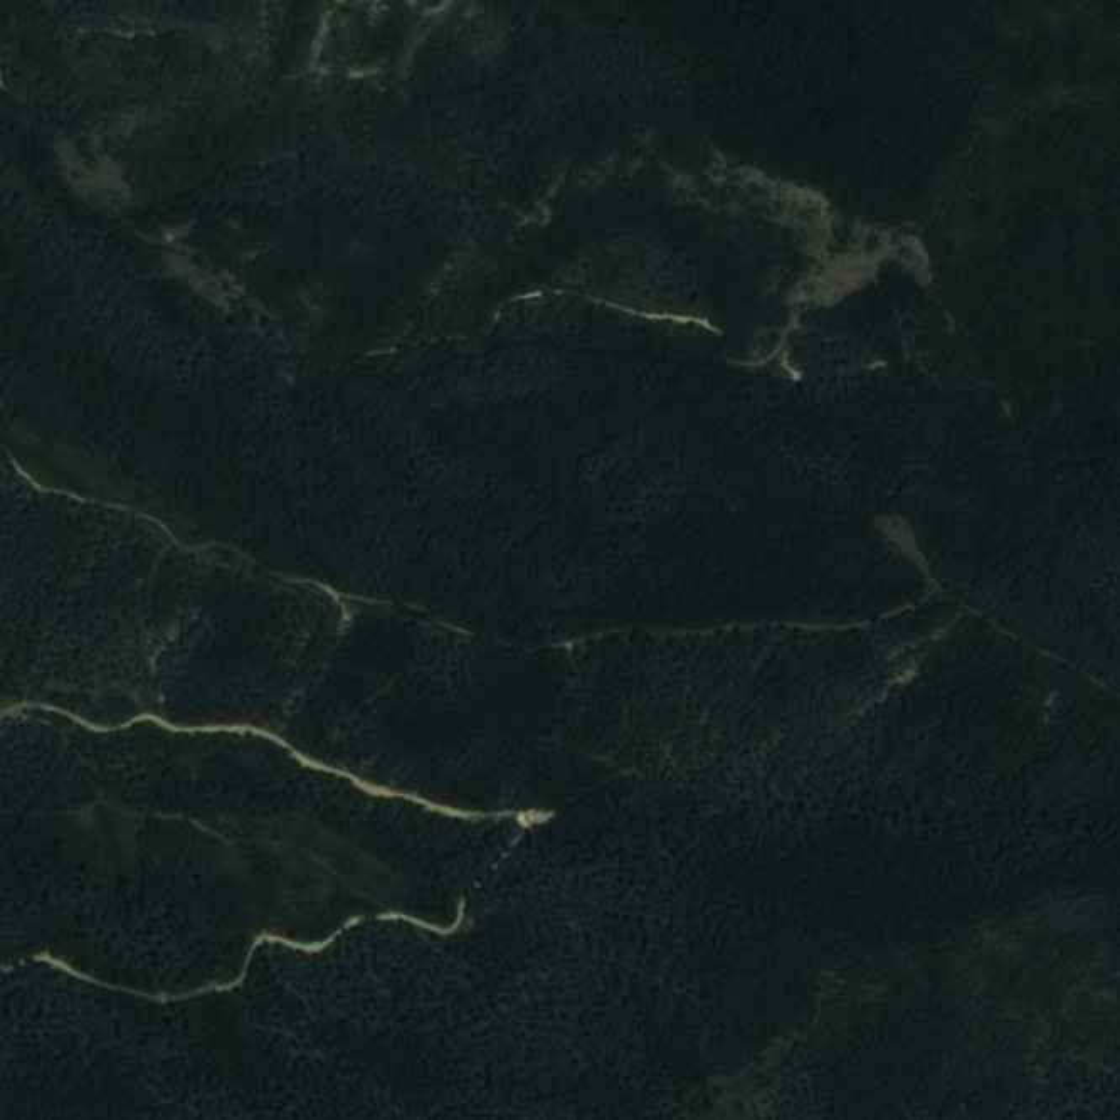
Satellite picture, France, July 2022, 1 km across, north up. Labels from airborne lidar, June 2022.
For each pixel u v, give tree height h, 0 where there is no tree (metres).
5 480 7
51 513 8
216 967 18
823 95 14
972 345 6
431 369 9
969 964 6
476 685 8
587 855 16
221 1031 10
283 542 12
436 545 9
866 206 11
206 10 6
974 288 13
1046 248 10
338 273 8
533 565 12
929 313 6
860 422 10
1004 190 7
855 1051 9
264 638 12
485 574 11
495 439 11
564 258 10
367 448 8
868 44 13
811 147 13
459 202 10
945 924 10
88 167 7
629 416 7
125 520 10
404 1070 13
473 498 7
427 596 13
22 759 16
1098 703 7
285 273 7
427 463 11
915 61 10
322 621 9
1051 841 17
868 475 11
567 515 11
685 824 15
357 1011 18
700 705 10
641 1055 18
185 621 10
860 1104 10
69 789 13
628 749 6
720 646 8
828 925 8
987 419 11
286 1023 8
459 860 19
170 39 8
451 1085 16
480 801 7
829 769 14
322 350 6
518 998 16
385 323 8
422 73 6
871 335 7
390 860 12
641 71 10
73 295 13
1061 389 8
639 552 9
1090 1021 7
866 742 12
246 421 10
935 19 9
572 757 7
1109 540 13
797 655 15
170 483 13
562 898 16
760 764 11
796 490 9
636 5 11
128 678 10
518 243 7
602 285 11
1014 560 8
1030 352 10
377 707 12
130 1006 7
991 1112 11
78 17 9
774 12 16
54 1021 15
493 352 8
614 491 12
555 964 15
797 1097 18
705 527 12
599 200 9
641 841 21
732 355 8
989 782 16
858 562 9
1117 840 16
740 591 13
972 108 10
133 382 12
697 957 8
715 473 9
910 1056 12
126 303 13
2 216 14
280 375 8
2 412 7
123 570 12
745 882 13
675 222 8
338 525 14
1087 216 8
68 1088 13
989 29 11
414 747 8
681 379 12
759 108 13
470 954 14
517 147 9
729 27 17
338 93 7
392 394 9
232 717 8
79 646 10
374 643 7
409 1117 14
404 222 6
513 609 11
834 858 10
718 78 11
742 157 8
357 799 13
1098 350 12
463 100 7
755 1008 8
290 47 6
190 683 9
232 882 6
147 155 8
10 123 10
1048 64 9
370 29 7
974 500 14
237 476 11
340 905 13
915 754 17
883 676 7
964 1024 9
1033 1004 7
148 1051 18
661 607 15
